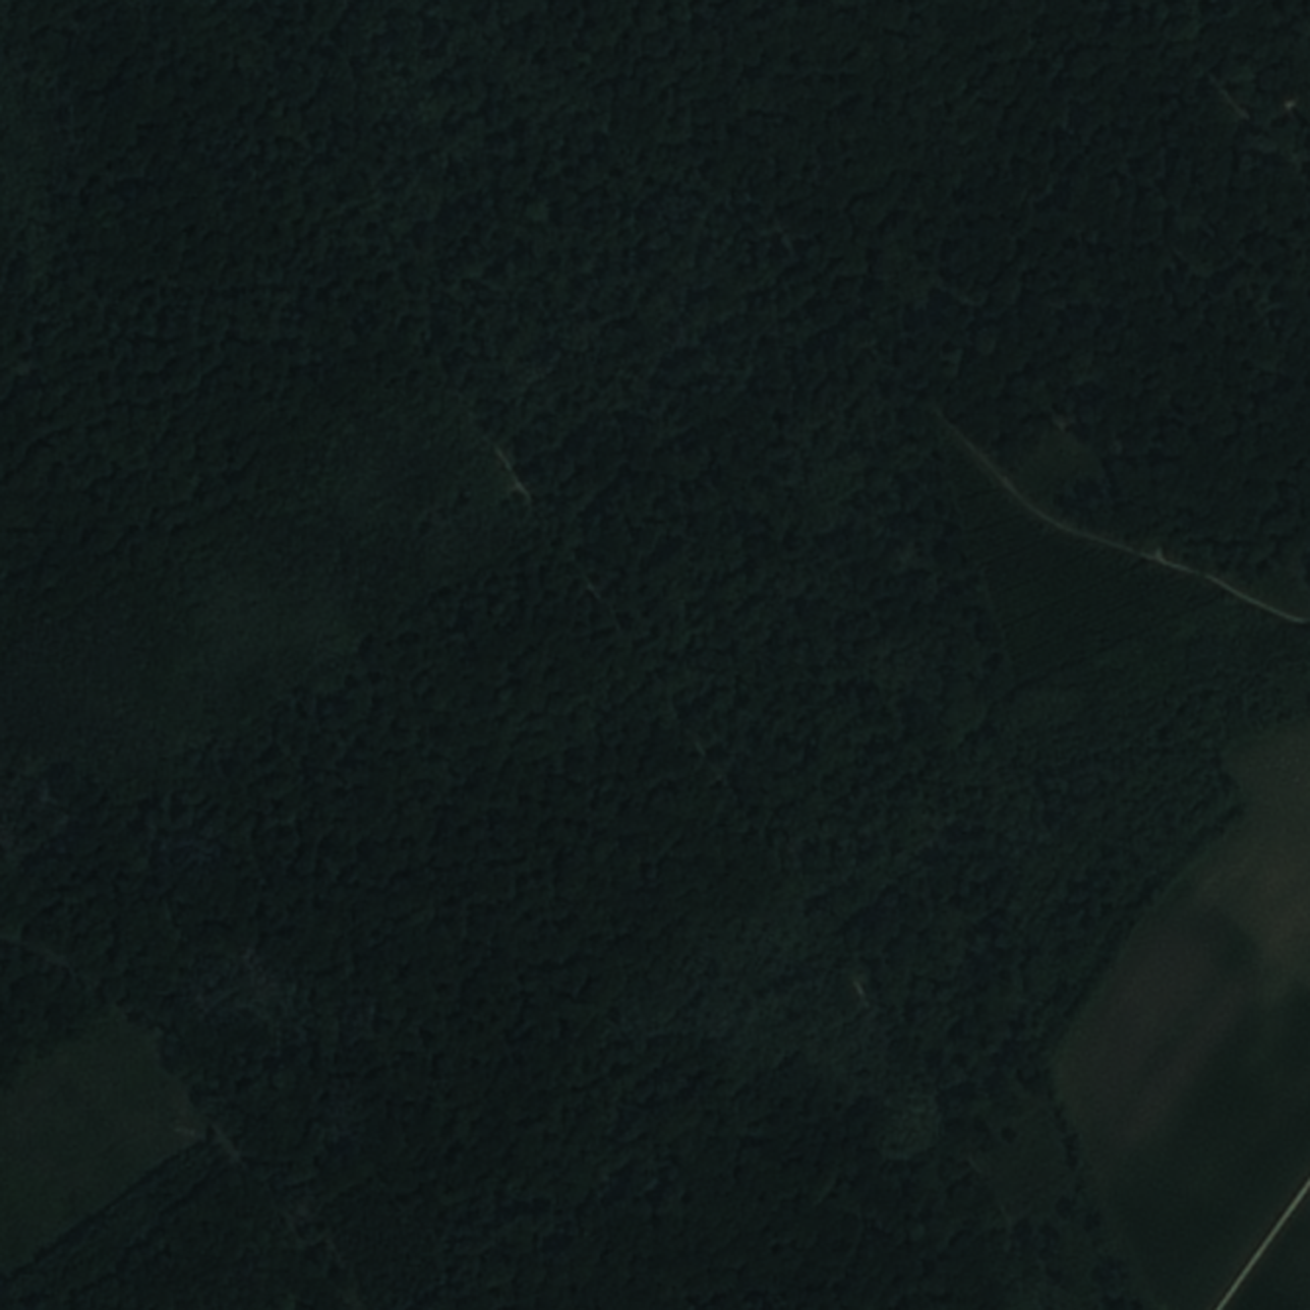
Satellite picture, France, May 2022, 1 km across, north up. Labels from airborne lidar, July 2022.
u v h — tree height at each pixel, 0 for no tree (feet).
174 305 68
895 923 97
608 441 83
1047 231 87
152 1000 81
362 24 86
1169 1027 0
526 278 71
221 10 84
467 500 57
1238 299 85
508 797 88
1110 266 95
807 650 55
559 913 43
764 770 73
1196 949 0
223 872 101
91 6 81
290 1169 75
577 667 86
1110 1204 0
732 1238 104
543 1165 87
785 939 73
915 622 85
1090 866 31
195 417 85
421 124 96
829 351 93
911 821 89
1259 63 92
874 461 83
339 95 90
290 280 89
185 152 106
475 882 94
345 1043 79
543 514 64
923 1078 62
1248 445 91
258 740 50
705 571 61
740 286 51
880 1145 85
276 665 63
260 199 90
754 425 98
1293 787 0
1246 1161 0
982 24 92
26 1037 89
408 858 92
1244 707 49
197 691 65
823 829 77
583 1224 104
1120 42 85
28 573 79
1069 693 70
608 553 92
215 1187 79
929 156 84
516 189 91
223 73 92
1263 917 0
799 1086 78
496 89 89
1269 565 64
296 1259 74
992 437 79
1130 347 91
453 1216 46
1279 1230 0
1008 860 88
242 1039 85
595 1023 62
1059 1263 80
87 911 82
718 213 79
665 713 93
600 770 84
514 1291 72
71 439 94
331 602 72
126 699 57
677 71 59
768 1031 65
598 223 79
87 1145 0
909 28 91
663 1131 94
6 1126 0
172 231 96
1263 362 84
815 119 96
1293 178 96
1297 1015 0
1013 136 90
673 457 86
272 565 60
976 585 75
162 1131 0
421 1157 70
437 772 95
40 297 58
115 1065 0
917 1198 96
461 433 62
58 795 79
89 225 90
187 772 75
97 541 93
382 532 70
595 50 79
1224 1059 0
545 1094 84
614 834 54
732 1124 73
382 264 70
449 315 104
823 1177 104
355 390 98
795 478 86
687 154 89
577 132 86
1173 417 36
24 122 80
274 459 100
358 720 90
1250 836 0
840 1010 76
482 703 100
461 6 89
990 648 84
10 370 42
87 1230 46
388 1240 44
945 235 83
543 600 81
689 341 56
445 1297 75
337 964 76
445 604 91
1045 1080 61
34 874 82
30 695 68
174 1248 81
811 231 92
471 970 75
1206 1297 0
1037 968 56
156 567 61
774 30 94
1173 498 83
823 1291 98
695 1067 54
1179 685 47
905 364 99
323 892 82
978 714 69
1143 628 31
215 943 87
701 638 37
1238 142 83
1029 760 50
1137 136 93
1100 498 98
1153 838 49
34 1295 42
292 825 55
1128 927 33
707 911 63
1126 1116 0
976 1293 77
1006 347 97
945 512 86
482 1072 81
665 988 72
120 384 94
